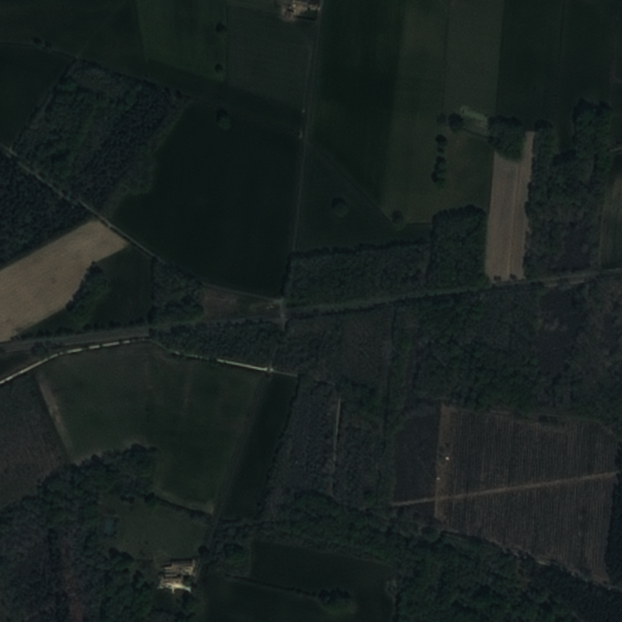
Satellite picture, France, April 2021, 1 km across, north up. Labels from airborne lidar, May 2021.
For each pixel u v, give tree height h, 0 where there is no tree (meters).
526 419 19
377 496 16
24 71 0
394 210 0
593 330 14
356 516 21
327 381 8
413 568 16
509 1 0
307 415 7
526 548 0
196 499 0
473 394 15
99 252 0
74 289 0
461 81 0
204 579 0
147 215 0
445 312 26
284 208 0
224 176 0
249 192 0
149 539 0
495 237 0
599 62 0
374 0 0
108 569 10
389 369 13
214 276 0
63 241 0
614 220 0
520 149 21
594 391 20
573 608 21
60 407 0
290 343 9
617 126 0
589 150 20
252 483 0
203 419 0
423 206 0
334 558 0
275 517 14
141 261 0
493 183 0
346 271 17
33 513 20
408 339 18
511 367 23
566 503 0
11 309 0
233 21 0
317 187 0
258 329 9
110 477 19
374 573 0
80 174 13
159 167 0
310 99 0
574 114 0
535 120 0
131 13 0
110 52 0
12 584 11
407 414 12
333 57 0
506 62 0
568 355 11
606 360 16
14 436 9
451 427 0
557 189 22
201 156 0
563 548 0
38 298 0
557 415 16
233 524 7
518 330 18
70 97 23
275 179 0
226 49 0
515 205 0
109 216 9
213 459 0
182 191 0
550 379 7
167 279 19
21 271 0
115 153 19
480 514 0
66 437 0
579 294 14
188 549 0
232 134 0
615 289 11
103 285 19
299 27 0
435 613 22
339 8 0
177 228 0
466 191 0
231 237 0
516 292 18
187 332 17
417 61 0
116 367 0
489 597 28
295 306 7
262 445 0
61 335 13
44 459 13
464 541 17
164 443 0
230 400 0
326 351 12
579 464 0
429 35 0
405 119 0
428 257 17
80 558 14
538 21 0
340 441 11
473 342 14
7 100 0
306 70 0
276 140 0
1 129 0
